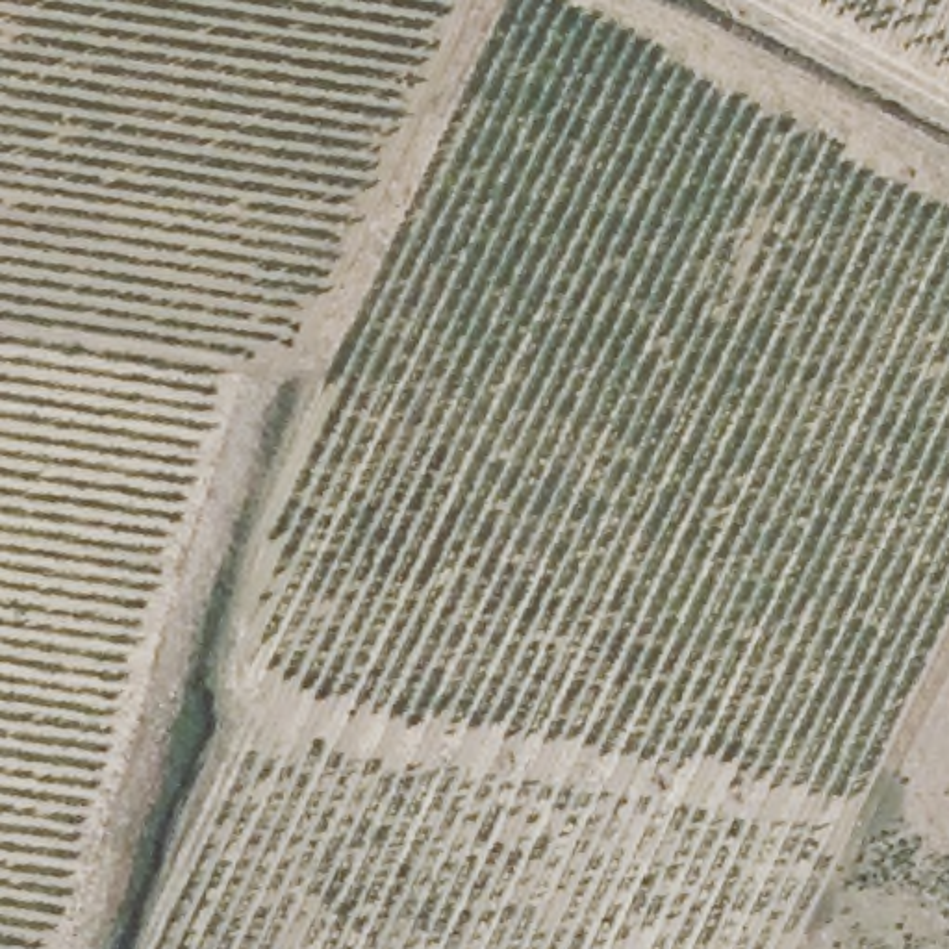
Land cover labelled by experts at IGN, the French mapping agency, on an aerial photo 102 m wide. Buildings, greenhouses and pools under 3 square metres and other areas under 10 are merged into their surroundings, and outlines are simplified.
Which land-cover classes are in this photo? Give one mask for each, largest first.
<instances>
[{"label":"vineyard","instance_id":"1","mask_svg":"<svg viewBox=\"0 0 949 949\"><path fill-rule=\"evenodd\" d=\"M452 11V0H0V912L22 908L63 916V905L11 901V893L30 890L70 897V886L26 882V875L67 879V867H41V856L78 860L82 849H96L104 841L108 804L115 801V790L122 782L126 749L148 693L152 652L159 645L167 612L178 604L174 560L189 541V530H204L193 526L189 512H196L208 500L215 452L226 437L237 393L248 382L245 374L219 378L215 367H222L226 356H256L245 345L200 341L196 334H234L271 341L282 348L297 345L300 319L274 315V308H300L304 297H323L326 289L300 285L293 278L274 282L248 274L252 267H263L326 278L330 271L282 259H256V248L337 259V252L319 248V241H341L330 230V222L360 226L363 219L289 208L278 204V196L348 204L360 189H374V182H356V171H374L382 163V148L389 145V137L400 133L404 111L393 108V100L408 96L423 82V63L430 59V52H437V41H423L419 30L437 26L441 15ZM326 382H334L341 393L319 426V437L293 482V493L278 523L271 526V538L293 526V538L285 541L274 563V575L289 571L293 582L285 586L282 604H274V615L259 634L263 649L256 664H248L245 675H234L215 693V734L208 741L200 775L174 819L159 890L148 905L133 949H797L827 886L841 871L860 808L875 797L879 778L890 775L879 764L882 745L890 741L905 697L923 675L927 652L934 649L938 630L949 615V204L927 200L908 185H897L867 167L849 163L845 145L830 133L801 130L793 115H764L741 93H719L708 78L693 74L690 67L667 63L660 56V44L645 41L641 33L619 22H608L601 11H582L567 0H504L493 37L486 41L475 74L460 93V104L437 141V152L426 163V174L411 204L404 208V222L397 226L386 248L371 293L363 297L356 323L348 326L334 363L326 367ZM682 11L949 145V126L734 19L712 0H682ZM830 4L838 15H853L856 22L864 19L871 33L882 30L897 48L938 44L942 63L949 67V0H819ZM52 930L48 923L0 916V949H44L41 942L7 938V930Z\"/></svg>","mask_w":949,"mask_h":949},{"label":"plowed land","instance_id":"2","mask_svg":"<svg viewBox=\"0 0 949 949\"><path fill-rule=\"evenodd\" d=\"M504 0H452V11L441 15L437 26L419 30L423 41H437V52H430V59L423 63V82L408 96L393 100V108L404 111L400 133L389 137V145L382 148V163L374 171H356V182H374V189H360L348 204L278 196V204L289 208L363 219L360 226L330 222V230L341 241H319V248L337 252V259L256 248V259H282L330 271L326 278L263 267H252L248 274L274 282L293 278L300 285L326 289L323 297H304L300 308H274V315L300 319L297 345L282 348L271 341L234 334H196L200 341L245 345L256 356H226L222 367H215L219 378L245 374L248 382L237 393L226 437L215 452L208 500L196 512H189L193 526L204 530H189V541L174 560L178 604L167 612L159 645L152 652L148 693L126 749L122 782L115 790V801L108 804L104 841L96 849H82L78 860L41 856V867H67V879L26 875V882L70 886V897L30 890L11 893V901L63 905V916L22 908L0 912V916L48 923L52 930H7V938L41 942L44 949H111L126 923L119 905L130 886L137 841L145 834V816L159 797V760L171 741V723L182 712L189 667L193 641L230 541V526L245 497V475L259 449L263 415L274 404L278 386L293 378L300 389L297 411L282 437L271 497L263 500L248 534L230 626L219 641L215 686V693L234 675H245L248 664H256L263 649L259 634L274 615V604H282L285 586L293 582L289 571L274 575V563L285 541L293 538V526L271 538V526L278 523L293 493V482L319 437V426L341 393L334 382H326V367L334 363L348 326L356 323L363 297L371 293L386 248L397 226L404 222V208L411 204L426 174V163L437 152V141L460 104V93L475 74L486 41L493 37ZM582 11H601L608 22H619L641 33L645 41L660 44V56L667 63L690 67L693 74L708 78L719 93H741L764 115H793L801 130L830 133L845 145L849 163L867 167L897 185H908L927 200L949 204V145L682 11V0H567Z\"/></svg>","mask_w":949,"mask_h":949},{"label":"herbaceous vegetation","instance_id":"3","mask_svg":"<svg viewBox=\"0 0 949 949\"><path fill-rule=\"evenodd\" d=\"M300 389L293 378L278 386L274 404L263 415L259 449L245 475V497L230 526V541L193 641L189 667L215 686L219 641L230 626L248 534L263 500L271 497L282 437L297 411ZM879 764L890 775L879 778L875 797L860 808L841 871L827 886L797 949H949V615L938 630L934 649L927 652L923 675L905 697L890 741L882 745Z\"/></svg>","mask_w":949,"mask_h":949},{"label":"pervious surface","instance_id":"4","mask_svg":"<svg viewBox=\"0 0 949 949\"><path fill-rule=\"evenodd\" d=\"M734 19L949 126V67L942 63L938 44L897 48L882 30L871 33L864 19L856 22L853 15H838L830 4L819 0H712Z\"/></svg>","mask_w":949,"mask_h":949},{"label":"brushwood","instance_id":"5","mask_svg":"<svg viewBox=\"0 0 949 949\"><path fill-rule=\"evenodd\" d=\"M215 734V686L189 667L182 712L171 723V741L159 760V797L145 816V834L137 841L130 886L119 905L126 923L111 949H133L148 905L159 890L174 819L200 775L208 741Z\"/></svg>","mask_w":949,"mask_h":949}]
</instances>
